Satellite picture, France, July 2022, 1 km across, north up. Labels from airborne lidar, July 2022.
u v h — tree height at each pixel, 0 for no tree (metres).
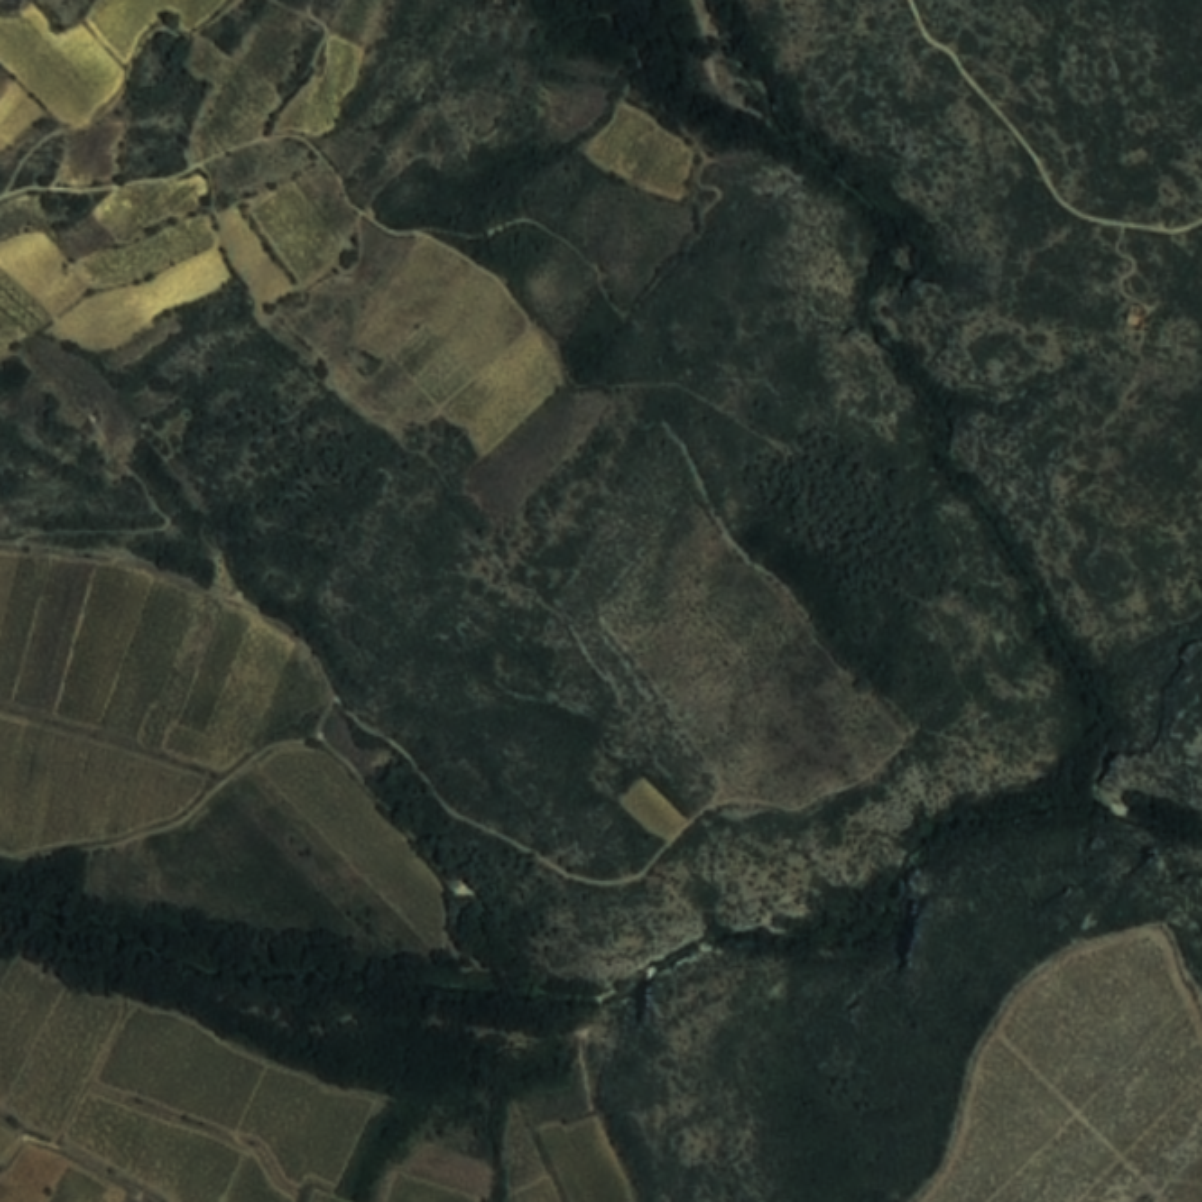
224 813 0
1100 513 0
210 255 0
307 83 7
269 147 0
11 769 0
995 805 6
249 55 0
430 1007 24
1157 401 0
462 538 0
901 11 0
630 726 0
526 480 0
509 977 18
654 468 0
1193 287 0
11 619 0
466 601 0
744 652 0
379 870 0
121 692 0
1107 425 0
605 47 9
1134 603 0
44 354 0
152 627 0
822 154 7
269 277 0
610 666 0
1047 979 0
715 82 0
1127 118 0
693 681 0
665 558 0
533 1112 0
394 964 11
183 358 0
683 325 0
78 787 0
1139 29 0
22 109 0
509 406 0
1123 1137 0
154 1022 0
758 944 13
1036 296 0
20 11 0
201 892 0
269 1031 10
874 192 7
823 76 0
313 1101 0
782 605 0
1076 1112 0
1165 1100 0
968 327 0
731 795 0
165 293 0
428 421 0
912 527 11
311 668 0
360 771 0
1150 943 0
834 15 0
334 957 20
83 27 0
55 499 0
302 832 0
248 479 7
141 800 0
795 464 11
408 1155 0
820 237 0
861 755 0
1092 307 0
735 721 0
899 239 12
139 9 0
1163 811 21
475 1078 11
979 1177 0
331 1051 10
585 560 0
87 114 0
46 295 0
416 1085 13
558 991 16
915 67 0
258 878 0
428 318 0
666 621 0
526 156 7
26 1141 0
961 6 0
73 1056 0
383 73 0
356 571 0
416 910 0
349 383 0
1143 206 0
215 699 0
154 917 6
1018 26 0
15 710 0
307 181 0
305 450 7
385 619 0
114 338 0
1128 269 0
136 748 0
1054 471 0
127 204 0
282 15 0
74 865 17
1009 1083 0
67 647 0
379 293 0
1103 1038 0
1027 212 0
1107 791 0
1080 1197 0
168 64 10
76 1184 0
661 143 0
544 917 8
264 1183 0
